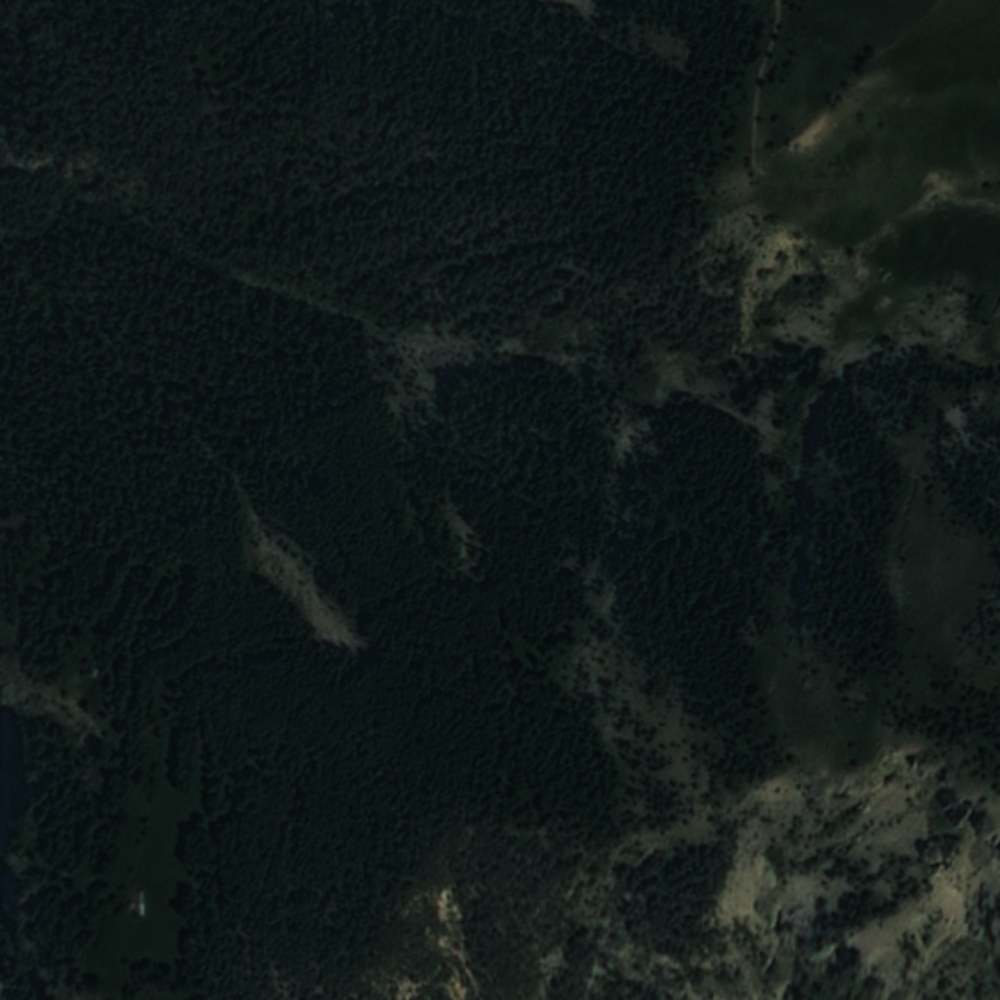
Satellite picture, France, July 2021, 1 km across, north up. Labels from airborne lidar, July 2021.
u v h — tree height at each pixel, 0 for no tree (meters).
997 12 0
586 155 14
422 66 19
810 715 0
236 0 12
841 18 0
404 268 15
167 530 22
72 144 7
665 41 0
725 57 14
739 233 0
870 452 14
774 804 0
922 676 0
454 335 6
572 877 9
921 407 11
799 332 0
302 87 11
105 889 9
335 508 32
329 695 25
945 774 0
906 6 0
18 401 14
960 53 0
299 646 18
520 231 11
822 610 7
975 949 0
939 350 0
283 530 10
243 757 18
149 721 8
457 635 26
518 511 25
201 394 11
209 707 20
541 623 25
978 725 9
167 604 22
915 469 0
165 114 13
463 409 25
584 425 12
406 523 24
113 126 13
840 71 0
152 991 0
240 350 11
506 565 18
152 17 18
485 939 11
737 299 11
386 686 27
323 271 20
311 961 10
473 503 15
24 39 8
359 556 25
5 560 15
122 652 9
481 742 24
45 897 15
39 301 10
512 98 12
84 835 24
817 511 15
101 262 16
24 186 11
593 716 12
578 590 18
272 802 28
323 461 22
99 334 11
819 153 0
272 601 25
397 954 7
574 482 24
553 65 8
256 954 12
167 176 13
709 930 9
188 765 24
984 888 0
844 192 0
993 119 0
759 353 0
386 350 8
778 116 7
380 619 23
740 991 5
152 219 8
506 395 19
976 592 0
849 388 8
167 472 19
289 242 13
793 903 0
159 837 0
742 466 20
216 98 12
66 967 11
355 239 20
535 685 18
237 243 22
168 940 0
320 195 8
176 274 20
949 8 0
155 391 26
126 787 22
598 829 10
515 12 23
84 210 14
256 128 16
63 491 11
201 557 23
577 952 14
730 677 12
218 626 28
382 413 20
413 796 17
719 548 17
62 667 15
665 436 18
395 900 9
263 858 27
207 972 18
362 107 13
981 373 7
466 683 22
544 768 17
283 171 19
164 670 22
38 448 14
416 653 20
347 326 12
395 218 13
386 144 17
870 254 0
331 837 23
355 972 6
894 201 0
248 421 11
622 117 21
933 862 0
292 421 23
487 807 12
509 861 10
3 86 11
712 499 18
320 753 24
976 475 10
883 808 0
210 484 19
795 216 0
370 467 27
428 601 24
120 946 0
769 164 0
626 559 10
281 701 27
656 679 7
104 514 26
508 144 19
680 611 17
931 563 0
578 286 8
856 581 11
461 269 18
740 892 0
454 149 16
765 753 5
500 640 25
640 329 10
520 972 7
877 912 7
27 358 21
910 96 0
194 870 14
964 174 0
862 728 0
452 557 20
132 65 13
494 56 15
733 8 18
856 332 0
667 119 15
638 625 13
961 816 0
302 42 7
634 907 9
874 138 0
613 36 9
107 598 30
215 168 10
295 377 12
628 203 21
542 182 24
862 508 11
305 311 13
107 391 14
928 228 0
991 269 0
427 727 28
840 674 0
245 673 19
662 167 16
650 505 13
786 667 0
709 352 10
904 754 0
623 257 12
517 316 14
